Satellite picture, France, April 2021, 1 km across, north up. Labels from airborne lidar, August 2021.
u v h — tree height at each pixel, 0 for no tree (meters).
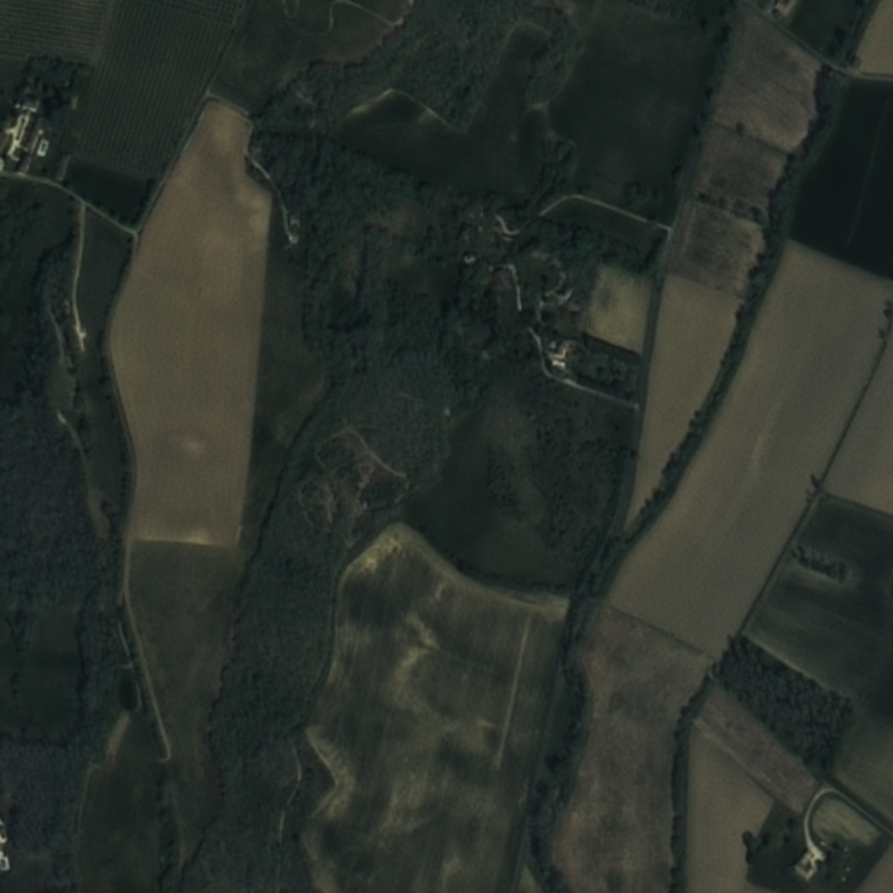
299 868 22
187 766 0
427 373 22
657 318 0
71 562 16
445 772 0
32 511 15
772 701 27
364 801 0
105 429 0
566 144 8
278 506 13
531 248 12
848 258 0
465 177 0
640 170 0
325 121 17
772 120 0
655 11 7
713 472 0
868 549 0
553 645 0
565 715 0
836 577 15
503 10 18
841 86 12
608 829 0
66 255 17
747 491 0
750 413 0
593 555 7
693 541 0
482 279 8
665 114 0
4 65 0
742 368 0
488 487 8
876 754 0
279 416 0
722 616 0
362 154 9
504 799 0
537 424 8
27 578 20
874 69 0
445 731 0
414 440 17
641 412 0
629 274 0
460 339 8
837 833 0
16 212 16
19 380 0
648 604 0
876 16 0
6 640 0
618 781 0
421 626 0
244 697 14
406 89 7
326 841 0
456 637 0
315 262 8
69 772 18
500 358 12
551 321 19
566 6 0
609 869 0
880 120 0
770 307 0
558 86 9
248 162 9
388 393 14
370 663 0
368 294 21
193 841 0
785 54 0
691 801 0
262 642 11
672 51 0
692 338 0
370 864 0
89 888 0
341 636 0
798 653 0
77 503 18
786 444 0
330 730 0
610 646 0
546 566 0
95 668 29
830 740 24
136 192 0
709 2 0
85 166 0
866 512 0
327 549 20
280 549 14
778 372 0
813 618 0
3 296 0
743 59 0
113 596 14
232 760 19
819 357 0
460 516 0
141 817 0
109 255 0
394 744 0
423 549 0
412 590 0
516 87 0
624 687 0
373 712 0
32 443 16
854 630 0
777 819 0
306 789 9
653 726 0
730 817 0
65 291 8
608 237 14
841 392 0
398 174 13
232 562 0
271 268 0
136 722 0
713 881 0
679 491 0
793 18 0
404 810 0
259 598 16
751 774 0
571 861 0
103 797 0
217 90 0
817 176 0
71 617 0
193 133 0
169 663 0
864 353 0
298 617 16
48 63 11
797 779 0
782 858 0
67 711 0
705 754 0
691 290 0
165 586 0
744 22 0
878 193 0
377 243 23
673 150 0
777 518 0
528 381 8
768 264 16
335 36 0
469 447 0
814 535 0
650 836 0
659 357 0
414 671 0
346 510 15
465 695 0
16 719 0
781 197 15
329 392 6
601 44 0
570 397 7
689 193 0
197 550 0
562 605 0
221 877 19
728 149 0
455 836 0
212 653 0
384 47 7
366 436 12
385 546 0
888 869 0
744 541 0
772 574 0
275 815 12
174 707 0
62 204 0
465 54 16
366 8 0
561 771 18
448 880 0
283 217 6
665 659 0
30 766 19
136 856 0
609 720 0
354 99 17
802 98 0
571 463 8
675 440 0
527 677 0
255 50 0
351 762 0
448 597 0
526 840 0
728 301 0
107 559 13
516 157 0
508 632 0
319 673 13
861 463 0
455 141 0
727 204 14
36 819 20
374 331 23
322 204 13
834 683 0
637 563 0
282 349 0
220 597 0
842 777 0
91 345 0
